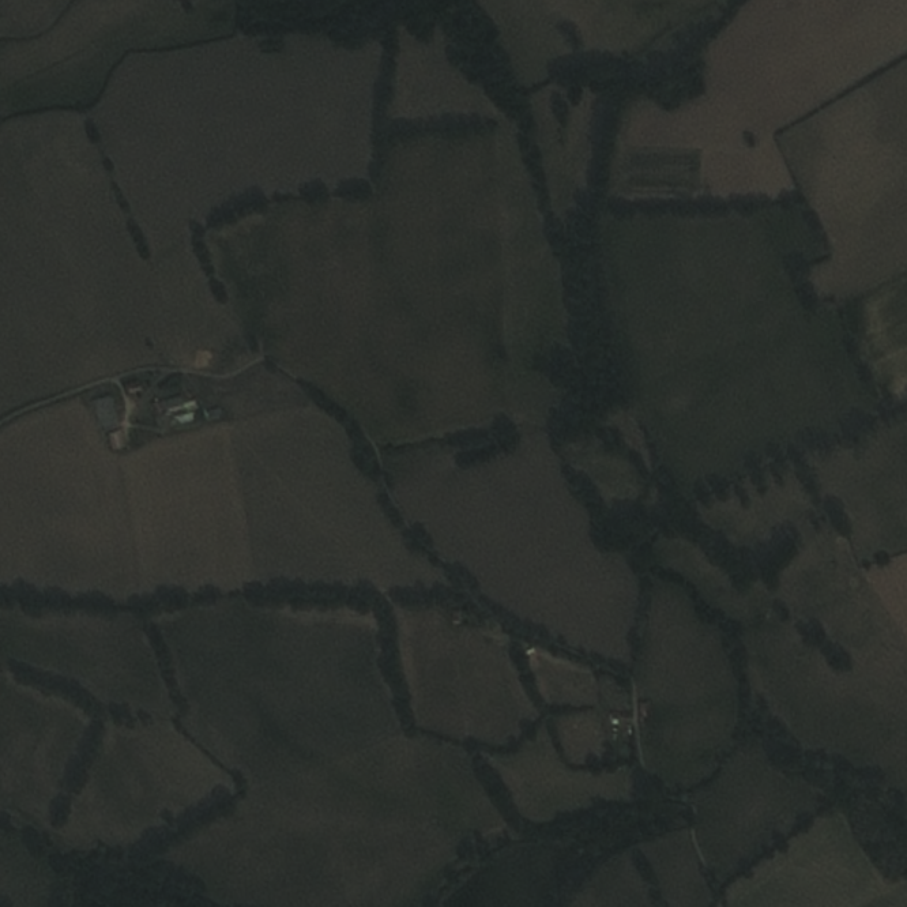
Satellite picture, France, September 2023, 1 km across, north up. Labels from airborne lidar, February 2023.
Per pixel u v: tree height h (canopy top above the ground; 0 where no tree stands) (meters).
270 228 0
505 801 22
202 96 0
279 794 0
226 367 0
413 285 0
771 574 21
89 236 0
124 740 0
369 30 13
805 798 0
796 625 0
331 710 0
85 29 0
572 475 19
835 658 23
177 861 0
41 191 0
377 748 0
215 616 0
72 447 0
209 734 0
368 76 0
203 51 0
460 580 16
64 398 0
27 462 0
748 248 0
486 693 0
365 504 0
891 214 0
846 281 0
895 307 0
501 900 0
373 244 0
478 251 0
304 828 0
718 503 0
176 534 0
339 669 0
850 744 0
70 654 0
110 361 0
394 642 15
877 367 0
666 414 0
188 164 0
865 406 0
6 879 0
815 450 24
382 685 0
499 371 0
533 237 0
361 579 0
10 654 0
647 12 0
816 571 0
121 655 0
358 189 15
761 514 0
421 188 0
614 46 0
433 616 0
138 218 0
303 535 0
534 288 0
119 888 26
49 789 0
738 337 0
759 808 0
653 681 0
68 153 0
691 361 0
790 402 0
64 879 14
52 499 0
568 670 0
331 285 0
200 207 0
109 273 0
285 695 0
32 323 0
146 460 0
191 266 0
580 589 0
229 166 0
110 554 0
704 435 0
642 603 9
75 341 0
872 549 0
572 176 0
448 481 0
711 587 0
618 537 24
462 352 0
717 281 0
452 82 0
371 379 0
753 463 17
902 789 0
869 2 0
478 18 16
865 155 0
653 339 0
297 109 0
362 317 0
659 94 15
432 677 0
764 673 0
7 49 0
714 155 0
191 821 16
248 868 0
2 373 0
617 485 0
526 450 0
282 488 0
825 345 0
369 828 0
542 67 0
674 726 0
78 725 0
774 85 0
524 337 0
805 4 0
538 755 0
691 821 15
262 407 0
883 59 0
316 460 0
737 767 0
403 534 7
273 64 0
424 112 0
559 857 0
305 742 0
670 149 0
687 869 0
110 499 0
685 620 0
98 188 0
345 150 0
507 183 0
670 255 0
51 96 0
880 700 0
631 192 0
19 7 0
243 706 0
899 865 22
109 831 0
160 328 0
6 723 0
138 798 0
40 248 0
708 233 0
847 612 0
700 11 0
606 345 17
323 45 0
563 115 14
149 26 0
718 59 0
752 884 0
